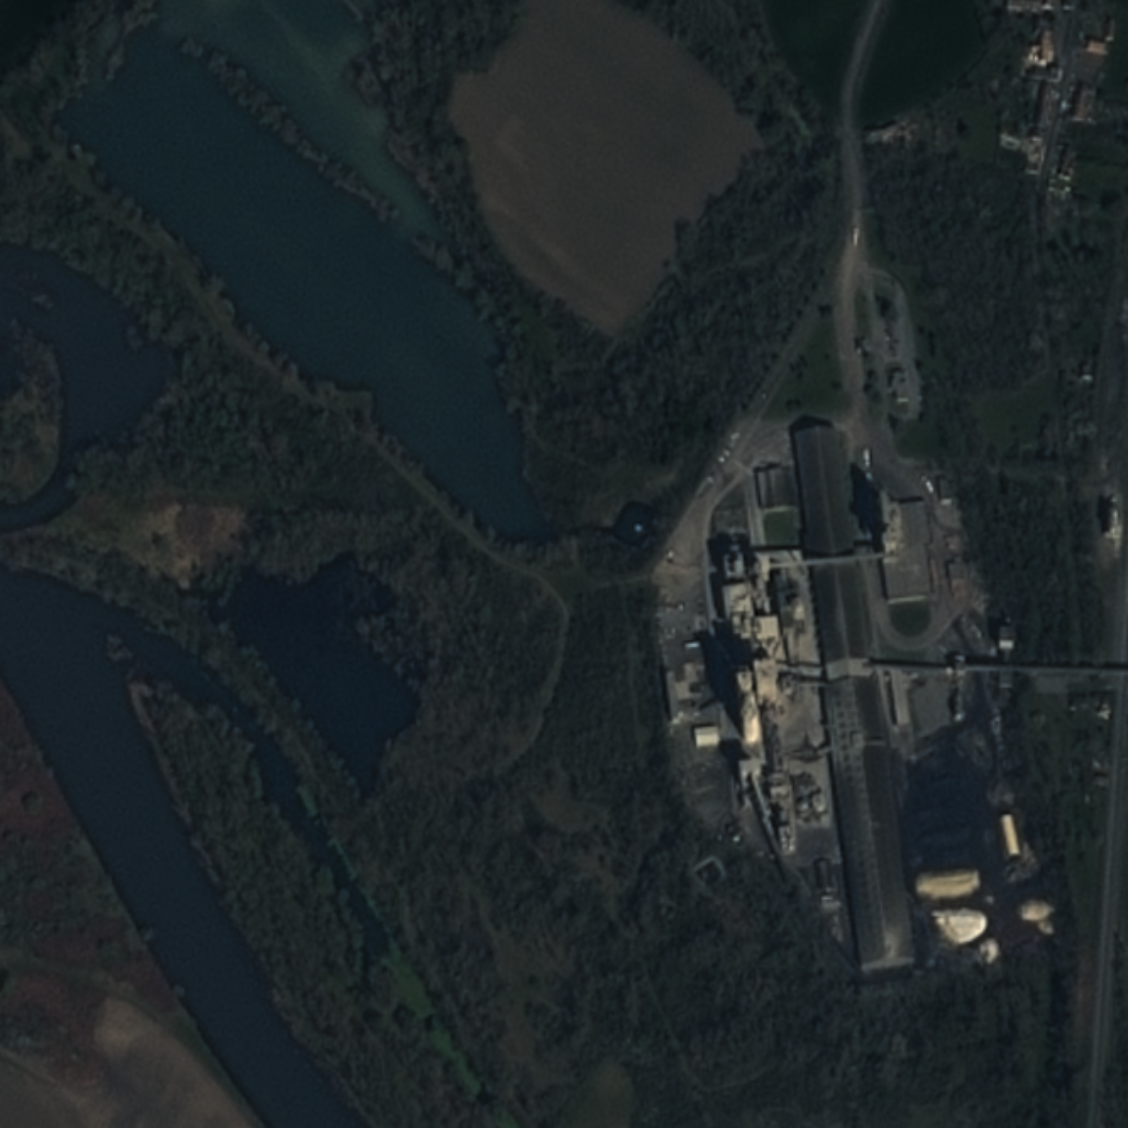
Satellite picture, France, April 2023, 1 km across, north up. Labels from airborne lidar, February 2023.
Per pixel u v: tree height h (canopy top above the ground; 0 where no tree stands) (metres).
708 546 0
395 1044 29
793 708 0
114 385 0
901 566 0
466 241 16
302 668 0
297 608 0
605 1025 6
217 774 19
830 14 0
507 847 15
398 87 17
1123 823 0
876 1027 11
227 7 0
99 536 0
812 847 0
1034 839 16
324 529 25
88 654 0
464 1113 24
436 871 14
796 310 8
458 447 0
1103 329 14
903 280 0
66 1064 0
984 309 25
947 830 0
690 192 0
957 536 0
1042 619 7
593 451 10
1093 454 17
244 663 15
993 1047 8
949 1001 16
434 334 0
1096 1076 0
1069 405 6
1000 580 10
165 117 0
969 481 14
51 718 0
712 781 0
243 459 12
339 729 0
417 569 26
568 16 0
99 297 0
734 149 0
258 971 0
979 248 15
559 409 9
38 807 10
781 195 14
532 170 0
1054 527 17
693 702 0
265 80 0
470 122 0
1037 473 18
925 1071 8
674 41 9
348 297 0
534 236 0
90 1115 0
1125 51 0
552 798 0
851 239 0
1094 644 15
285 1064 0
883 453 0
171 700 21
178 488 19
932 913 0
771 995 18
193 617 14
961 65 0
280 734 9
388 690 0
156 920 0
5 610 0
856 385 0
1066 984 23
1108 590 0
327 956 28
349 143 0
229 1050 0
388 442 22
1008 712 10
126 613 0
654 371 21
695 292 10
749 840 0
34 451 15
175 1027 0
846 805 0
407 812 22
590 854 10
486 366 0
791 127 8
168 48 0
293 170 0
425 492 0
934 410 16
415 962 24
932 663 0
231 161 0
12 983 13
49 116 10
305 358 0
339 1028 30
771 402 0
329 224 0
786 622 0
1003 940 0
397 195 0
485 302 11
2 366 0
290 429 6
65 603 0
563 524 13
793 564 0
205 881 0
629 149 0
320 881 13
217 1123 0
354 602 0
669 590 0
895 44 0
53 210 13
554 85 0
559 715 11
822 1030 16
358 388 0
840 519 0
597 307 0
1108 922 0
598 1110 0
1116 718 0
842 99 0
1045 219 16
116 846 0
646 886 12
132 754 0
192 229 0
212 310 0
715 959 23
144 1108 0
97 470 25
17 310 0
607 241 0
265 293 0
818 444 0
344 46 0
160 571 0
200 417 13
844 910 0
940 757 0
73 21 12
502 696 16
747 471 0
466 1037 29
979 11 7
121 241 6
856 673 0
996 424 0
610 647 6
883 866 0
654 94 0
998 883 0
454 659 5
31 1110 0
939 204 17
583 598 6
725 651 0
